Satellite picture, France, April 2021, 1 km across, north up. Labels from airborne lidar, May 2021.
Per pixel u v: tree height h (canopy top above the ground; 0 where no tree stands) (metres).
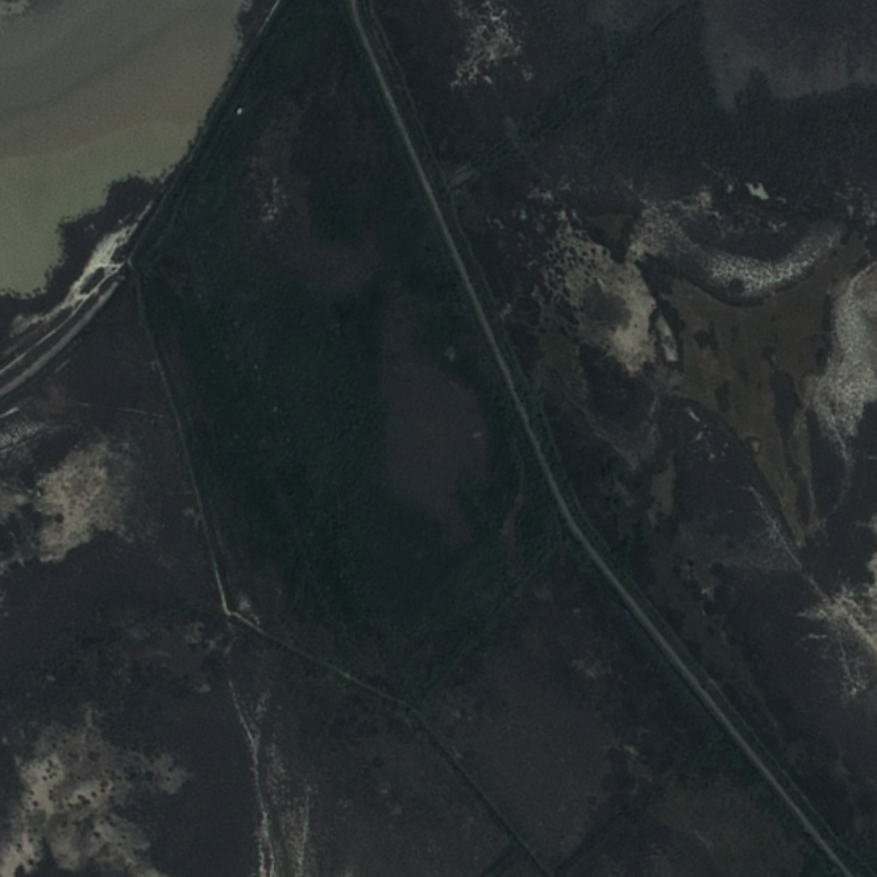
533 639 0
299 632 0
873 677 0
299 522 6
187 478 0
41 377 0
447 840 0
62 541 0
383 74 0
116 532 0
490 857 0
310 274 0
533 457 5
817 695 0
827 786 0
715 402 0
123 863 0
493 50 0
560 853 0
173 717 0
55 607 0
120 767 0
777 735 0
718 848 0
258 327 6
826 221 0
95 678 0
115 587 0
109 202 0
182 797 0
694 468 0
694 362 0
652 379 0
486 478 0
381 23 0
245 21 0
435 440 0
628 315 0
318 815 0
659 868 0
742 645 0
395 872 0
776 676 0
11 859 0
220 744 0
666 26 6
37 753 0
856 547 0
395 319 0
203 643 0
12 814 0
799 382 0
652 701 0
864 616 0
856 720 0
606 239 0
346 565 6
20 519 0
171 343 0
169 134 0
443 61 0
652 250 0
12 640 0
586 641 0
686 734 0
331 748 0
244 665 0
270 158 0
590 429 0
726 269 0
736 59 0
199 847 0
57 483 0
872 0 0
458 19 0
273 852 0
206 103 0
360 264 0
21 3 0
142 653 0
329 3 6
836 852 6
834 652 0
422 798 0
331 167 0
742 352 0
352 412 6
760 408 0
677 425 0
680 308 0
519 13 0
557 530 6
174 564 0
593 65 6
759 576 0
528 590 0
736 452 0
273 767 0
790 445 0
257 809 0
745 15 0
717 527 0
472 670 0
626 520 0
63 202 0
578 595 0
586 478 0
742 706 0
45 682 0
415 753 0
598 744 0
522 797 0
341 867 0
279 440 6
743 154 6
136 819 0
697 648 0
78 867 0
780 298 0
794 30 0
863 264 0
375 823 0
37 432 0
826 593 0
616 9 0
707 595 0
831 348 0
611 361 0
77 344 0
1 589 0
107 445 0
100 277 0
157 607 0
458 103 0
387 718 0
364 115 0
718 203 0
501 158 6
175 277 0
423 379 0
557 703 0
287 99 0
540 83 0
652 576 0
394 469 0
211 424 0
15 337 0
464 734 0
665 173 0
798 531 0
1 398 0
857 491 0
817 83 0
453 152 0
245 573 0
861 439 0
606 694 0
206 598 0
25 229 0
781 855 0
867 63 0
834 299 0
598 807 0
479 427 0
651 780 0
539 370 0
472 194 0
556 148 0
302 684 0
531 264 0
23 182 0
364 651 0
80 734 0
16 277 0
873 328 0
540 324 0
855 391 0
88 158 0
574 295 0
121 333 0
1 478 0
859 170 0
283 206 0
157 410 0
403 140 0
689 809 0
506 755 0
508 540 0
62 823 0
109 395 0
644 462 0
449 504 0
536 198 0
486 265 0
